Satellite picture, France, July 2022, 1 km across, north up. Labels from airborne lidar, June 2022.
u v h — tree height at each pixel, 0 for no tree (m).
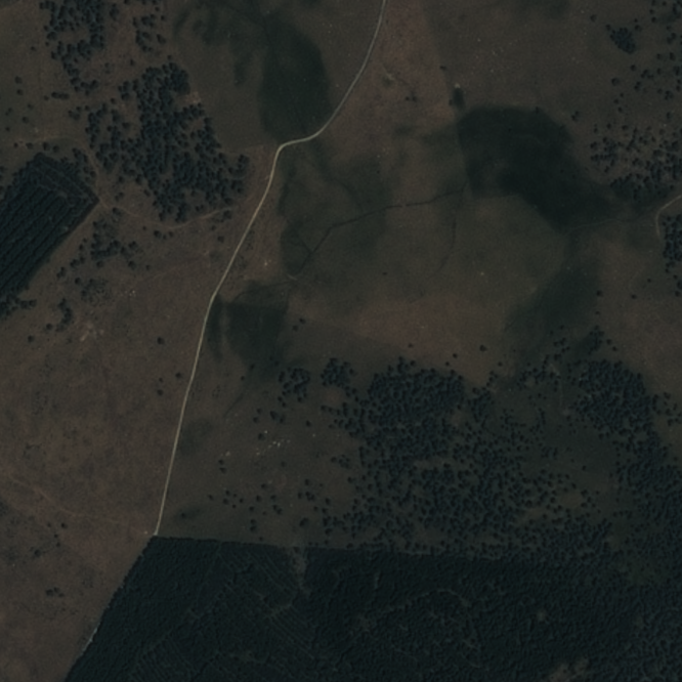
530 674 12
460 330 0
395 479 10
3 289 15
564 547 14
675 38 10
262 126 0
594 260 0
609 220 0
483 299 0
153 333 0
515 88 0
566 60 0
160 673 7
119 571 0
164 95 13
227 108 0
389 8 0
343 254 0
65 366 0
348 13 0
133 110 0
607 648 11
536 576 11
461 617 13
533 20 0
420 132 0
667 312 0
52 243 12
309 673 16
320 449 0
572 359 0
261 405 0
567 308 0
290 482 0
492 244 0
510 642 13
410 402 11
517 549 17
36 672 0
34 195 15
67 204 14
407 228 0
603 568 13
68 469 0
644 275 0
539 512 0
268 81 0
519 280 0
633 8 0
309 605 12
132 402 0
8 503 0
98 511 0
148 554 15
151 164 15
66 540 0
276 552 8
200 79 0
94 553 0
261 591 15
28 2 0
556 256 0
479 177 0
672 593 10
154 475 0
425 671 16
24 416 0
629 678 13
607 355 0
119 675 14
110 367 0
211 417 0
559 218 0
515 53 0
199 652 10
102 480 0
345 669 14
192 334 0
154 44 0
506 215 0
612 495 0
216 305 0
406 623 16
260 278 0
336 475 0
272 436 0
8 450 0
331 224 0
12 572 0
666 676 11
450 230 0
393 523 12
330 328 0
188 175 10
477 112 0
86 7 8
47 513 0
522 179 0
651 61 0
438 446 19
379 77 0
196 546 14
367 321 0
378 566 13
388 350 0
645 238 0
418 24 0
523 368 0
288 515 0
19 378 0
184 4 0
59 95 9
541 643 14
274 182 0
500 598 14
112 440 0
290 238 0
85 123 0
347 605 11
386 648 13
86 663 13
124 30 0
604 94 0
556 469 0
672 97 7
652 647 12
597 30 0
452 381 11
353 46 0
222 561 10
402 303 0
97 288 0
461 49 0
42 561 0
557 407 0
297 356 0
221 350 0
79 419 0
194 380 0
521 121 0
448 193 0
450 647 15
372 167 0
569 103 0
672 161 9
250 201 0
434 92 0
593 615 10
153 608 14
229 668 16
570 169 0
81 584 0
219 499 0
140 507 0
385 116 0
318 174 0
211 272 0
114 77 0
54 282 0
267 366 0
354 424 12
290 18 0
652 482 13
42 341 0
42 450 0
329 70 0
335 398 0
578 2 0
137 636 15
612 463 0
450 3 0
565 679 0
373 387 6
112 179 0
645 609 12
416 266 0
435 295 0
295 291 0
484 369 0
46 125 0
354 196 0
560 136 0
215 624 9
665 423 0
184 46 0
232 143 0
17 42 0
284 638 9
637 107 0
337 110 0
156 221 0
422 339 0
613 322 0
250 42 0
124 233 0
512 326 0
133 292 0
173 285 0
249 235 0
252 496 0
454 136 0
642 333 0
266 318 0
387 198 0
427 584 13
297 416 0
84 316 0
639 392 14
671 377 0
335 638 13
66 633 0
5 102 0
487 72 0
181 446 0
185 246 0
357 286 0
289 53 0
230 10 0
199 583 15
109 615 14
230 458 0
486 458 11
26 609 0
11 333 0
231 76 0
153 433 0
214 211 0
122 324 0
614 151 7
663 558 9
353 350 0
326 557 9
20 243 15
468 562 13
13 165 0
